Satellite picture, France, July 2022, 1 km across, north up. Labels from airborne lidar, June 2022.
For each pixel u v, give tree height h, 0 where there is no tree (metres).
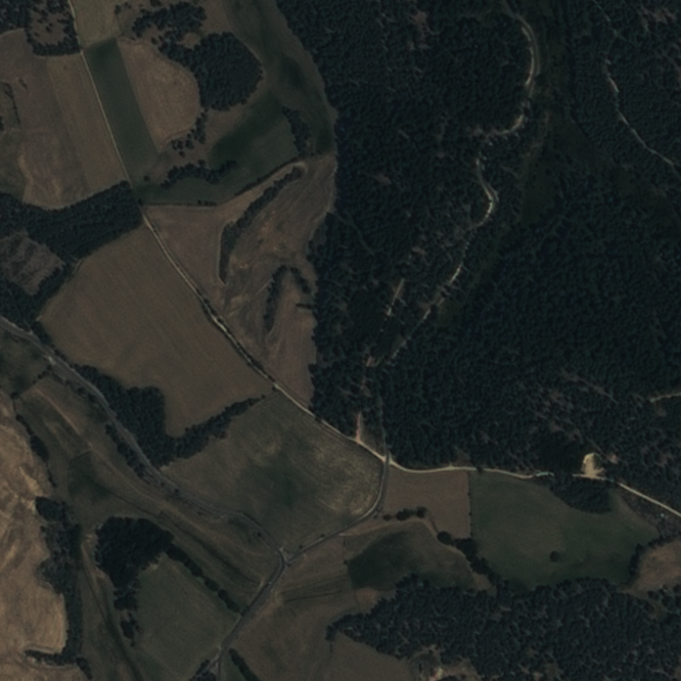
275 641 0
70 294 0
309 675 0
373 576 0
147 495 0
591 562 0
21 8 12
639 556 11
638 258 30
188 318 0
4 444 0
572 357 25
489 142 0
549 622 15
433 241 19
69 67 0
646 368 38
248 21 0
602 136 21
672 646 11
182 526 0
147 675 0
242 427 0
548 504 0
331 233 17
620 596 11
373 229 40
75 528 17
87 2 0
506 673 14
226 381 0
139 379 0
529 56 28
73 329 0
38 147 0
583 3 22
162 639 0
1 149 0
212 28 0
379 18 21
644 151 23
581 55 20
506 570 0
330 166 0
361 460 0
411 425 29
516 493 0
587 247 37
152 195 0
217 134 0
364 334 10
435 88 22
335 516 0
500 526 0
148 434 18
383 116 31
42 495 0
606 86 19
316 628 0
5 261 0
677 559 0
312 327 0
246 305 0
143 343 0
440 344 27
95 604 0
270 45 0
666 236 8
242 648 0
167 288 0
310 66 0
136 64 0
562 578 0
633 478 8
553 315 32
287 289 0
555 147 9
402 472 0
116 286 0
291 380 0
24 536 0
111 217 20
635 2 20
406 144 33
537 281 7
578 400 16
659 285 31
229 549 0
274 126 0
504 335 37
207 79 9
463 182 34
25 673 0
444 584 0
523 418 19
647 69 22
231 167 16
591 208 37
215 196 0
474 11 36
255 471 0
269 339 0
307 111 0
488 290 6
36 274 0
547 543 0
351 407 27
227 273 0
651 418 20
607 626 17
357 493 0
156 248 0
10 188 0
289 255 0
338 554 0
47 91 0
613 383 19
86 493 0
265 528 0
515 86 31
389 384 30
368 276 21
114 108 0
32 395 0
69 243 16
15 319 14
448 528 0
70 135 0
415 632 13
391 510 0
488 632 15
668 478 13
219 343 0
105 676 0
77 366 11
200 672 11
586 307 35
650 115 22
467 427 21
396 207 32
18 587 0
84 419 0
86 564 0
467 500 0
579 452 6
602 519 0
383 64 18
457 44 20
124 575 18
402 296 0
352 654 0
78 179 0
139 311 0
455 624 21
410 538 0
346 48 23
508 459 16
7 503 0
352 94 24
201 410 0
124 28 0
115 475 0
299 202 0
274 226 0
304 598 0
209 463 0
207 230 0
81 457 0
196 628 0
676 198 31
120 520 14
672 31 23
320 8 25
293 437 0
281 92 0
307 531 0
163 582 0
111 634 0
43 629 0
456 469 0
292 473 0
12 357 0
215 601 0
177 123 0
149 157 0
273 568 0
